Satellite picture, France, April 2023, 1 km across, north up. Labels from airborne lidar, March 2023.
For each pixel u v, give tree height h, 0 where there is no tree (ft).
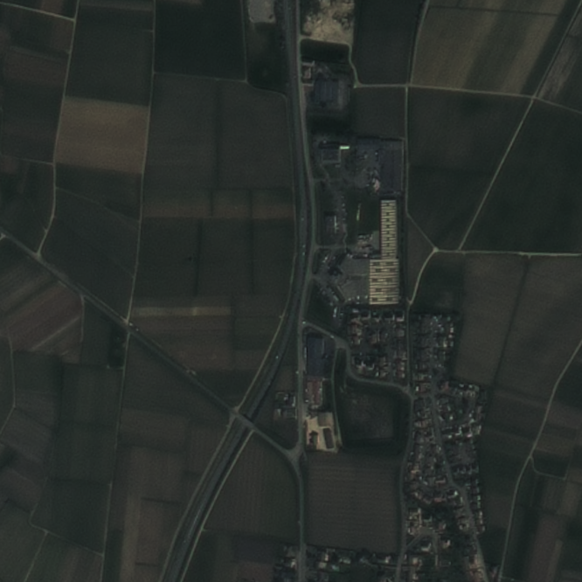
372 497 0
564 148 0
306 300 0
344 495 0
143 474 0
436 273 0
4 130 0
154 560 0
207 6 0
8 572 0
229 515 0
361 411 0
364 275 0
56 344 0
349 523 0
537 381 0
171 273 0
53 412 0
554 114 0
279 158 0
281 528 0
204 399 0
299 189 0
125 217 0
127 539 0
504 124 0
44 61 0
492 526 0
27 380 0
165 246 0
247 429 0
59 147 0
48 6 0
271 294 0
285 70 0
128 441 0
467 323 0
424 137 0
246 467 0
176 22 0
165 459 0
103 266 0
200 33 0
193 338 0
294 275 0
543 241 0
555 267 0
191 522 0
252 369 0
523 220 0
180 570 0
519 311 0
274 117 0
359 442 0
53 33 0
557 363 0
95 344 0
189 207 0
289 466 0
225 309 0
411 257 0
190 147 0
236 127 0
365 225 0
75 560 0
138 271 0
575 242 0
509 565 0
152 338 0
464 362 0
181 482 0
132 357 0
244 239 0
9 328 0
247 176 0
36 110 0
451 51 0
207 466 0
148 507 0
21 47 0
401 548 0
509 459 0
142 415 0
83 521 0
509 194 0
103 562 0
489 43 0
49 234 0
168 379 0
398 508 0
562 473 0
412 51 0
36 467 0
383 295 0
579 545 0
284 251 0
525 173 0
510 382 0
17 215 0
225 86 0
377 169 0
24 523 0
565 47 0
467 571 0
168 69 0
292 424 0
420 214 0
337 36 0
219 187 0
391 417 0
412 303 0
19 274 0
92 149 0
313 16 0
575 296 0
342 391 0
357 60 0
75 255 0
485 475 0
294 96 0
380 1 0
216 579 0
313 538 0
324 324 0
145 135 0
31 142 0
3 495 0
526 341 0
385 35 0
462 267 0
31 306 0
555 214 0
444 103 0
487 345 0
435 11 0
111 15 0
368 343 20
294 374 0
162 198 0
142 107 0
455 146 0
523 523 0
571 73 0
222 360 0
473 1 0
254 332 0
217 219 0
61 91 0
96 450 0
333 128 0
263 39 0
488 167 0
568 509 0
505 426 0
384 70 0
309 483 0
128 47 0
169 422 0
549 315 0
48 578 0
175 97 0
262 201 0
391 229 0
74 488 0
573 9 0
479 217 0
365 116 0
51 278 0
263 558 0
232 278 0
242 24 0
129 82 0
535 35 0
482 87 0
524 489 0
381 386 0
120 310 0
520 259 0
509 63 0
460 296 0
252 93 0
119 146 0
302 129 0
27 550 0
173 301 0
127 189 0
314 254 0
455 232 0
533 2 0
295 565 0
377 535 0
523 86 0
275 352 0
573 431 0
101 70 0
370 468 0
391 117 0
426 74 0
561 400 0
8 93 0
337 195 0
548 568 0
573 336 0
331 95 0
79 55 0
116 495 0
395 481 0
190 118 0
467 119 0
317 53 0
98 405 0
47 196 0
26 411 0
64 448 0
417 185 0
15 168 0
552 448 0
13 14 0
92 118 0
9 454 0
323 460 0
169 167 0
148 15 0
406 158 0
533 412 0
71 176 0
